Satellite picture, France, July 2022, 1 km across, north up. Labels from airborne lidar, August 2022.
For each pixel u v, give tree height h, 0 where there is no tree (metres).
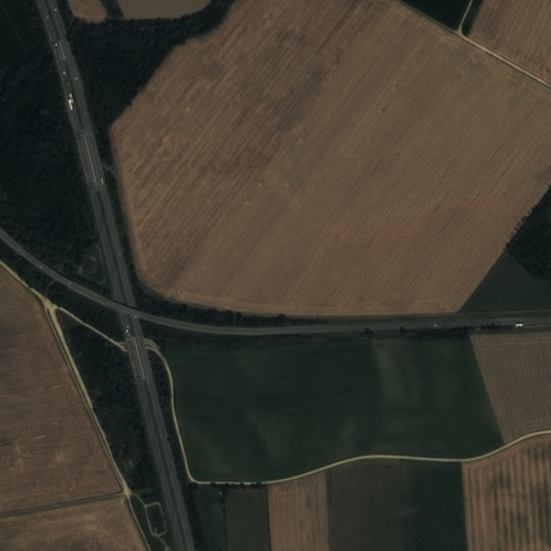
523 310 0
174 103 0
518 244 18
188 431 0
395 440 0
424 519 0
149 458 17
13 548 0
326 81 0
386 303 0
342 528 0
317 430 0
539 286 0
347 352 0
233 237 0
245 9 0
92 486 0
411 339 0
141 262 0
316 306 0
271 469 0
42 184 6
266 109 0
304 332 0
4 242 8
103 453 0
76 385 0
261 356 0
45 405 0
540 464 0
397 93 0
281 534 0
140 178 0
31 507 0
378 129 0
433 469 0
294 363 0
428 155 0
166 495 0
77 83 0
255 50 0
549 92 0
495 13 0
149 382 0
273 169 0
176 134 0
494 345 0
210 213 0
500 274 0
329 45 0
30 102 12
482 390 0
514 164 0
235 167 0
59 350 0
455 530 0
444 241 0
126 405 15
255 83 0
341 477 0
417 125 0
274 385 0
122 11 0
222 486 7
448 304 0
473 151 0
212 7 10
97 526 0
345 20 0
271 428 0
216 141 0
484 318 0
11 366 0
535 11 0
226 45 0
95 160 0
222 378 0
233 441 0
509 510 0
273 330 0
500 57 0
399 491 0
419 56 0
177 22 9
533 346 0
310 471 0
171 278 0
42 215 10
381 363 0
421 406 0
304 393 0
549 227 19
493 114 0
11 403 0
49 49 11
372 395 0
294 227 0
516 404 0
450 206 0
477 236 0
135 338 0
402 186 0
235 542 0
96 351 7
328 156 0
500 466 0
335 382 0
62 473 0
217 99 0
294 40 0
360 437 0
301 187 0
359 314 0
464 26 0
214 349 0
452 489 0
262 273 0
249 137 0
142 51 11
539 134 0
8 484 0
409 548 0
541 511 0
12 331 0
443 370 0
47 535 0
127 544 0
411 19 0
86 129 0
